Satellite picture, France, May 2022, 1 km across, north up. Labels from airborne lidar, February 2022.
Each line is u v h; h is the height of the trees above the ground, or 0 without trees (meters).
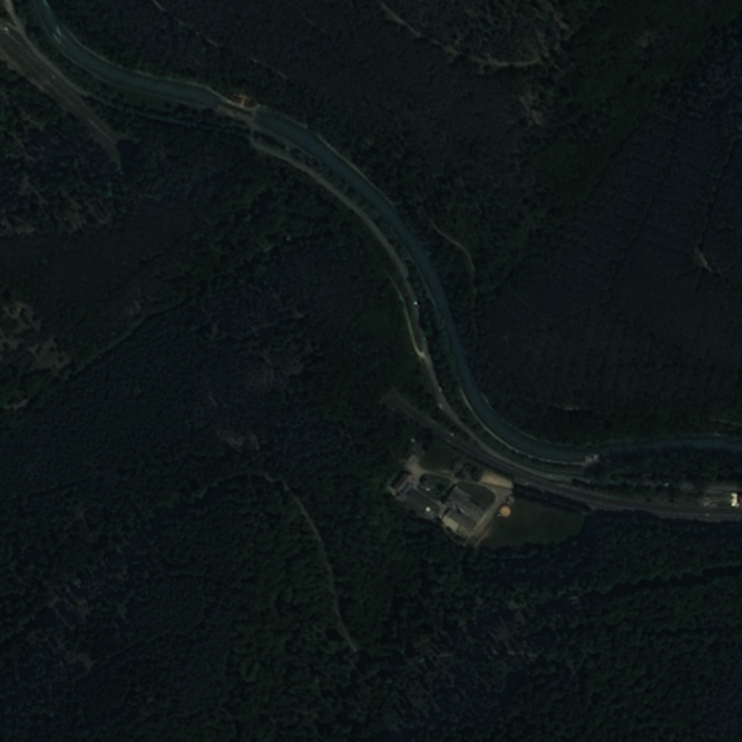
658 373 18
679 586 29
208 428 20
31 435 14
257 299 11
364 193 0
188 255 11
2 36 0
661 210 16
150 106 0
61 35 0
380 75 18
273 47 25
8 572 30
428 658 0
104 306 18
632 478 23
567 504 21
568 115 20
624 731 29
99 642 12
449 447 6
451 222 29
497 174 14
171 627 17
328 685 35
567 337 17
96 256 18
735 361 18
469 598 35
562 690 27
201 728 31
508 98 9
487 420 0
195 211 16
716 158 20
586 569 29
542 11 29
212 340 12
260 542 27
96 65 0
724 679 29
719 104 9
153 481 11
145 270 18
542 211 18
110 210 29
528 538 0
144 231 17
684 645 26
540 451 0
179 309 8
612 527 29
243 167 21
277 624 32
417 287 17
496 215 22
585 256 18
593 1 33
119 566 31
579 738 27
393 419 23
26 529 8
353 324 20
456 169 13
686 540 25
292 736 17
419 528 21
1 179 34
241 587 25
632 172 18
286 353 7
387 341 23
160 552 30
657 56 19
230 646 23
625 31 19
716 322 19
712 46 13
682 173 19
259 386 24
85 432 9
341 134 27
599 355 18
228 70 25
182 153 21
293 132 0
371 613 19
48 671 34
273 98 27
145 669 16
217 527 28
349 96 19
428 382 0
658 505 0
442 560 25
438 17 12
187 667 18
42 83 0
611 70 23
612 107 20
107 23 27
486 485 0
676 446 0
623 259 17
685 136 19
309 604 30
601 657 24
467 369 0
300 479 29
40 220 28
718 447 0
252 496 26
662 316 19
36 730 17
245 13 21
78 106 0
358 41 19
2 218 0
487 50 8
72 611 31
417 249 0
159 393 10
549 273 16
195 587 20
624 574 31
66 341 17
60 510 8
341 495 26
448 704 34
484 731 26
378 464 23
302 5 19
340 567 25
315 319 14
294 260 21
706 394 20
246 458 23
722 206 18
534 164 16
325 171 11
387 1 11
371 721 34
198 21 26
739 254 17
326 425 34
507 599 30
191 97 0
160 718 16
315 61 20
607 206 18
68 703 14
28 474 10
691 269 16
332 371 23
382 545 34
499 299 17
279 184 21
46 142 33
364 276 20
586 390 18
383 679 34
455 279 22
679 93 7
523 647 35
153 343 13
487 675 36
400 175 18
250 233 26
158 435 13
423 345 0
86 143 18
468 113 18
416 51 17
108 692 15
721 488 0
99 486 10
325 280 19
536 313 16
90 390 9
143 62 21
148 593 19
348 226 23
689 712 31
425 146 10
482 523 0
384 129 13
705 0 17
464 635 37
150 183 20
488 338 15
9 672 10
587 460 0
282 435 34
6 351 8
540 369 18
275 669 31
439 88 15
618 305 17
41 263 17
